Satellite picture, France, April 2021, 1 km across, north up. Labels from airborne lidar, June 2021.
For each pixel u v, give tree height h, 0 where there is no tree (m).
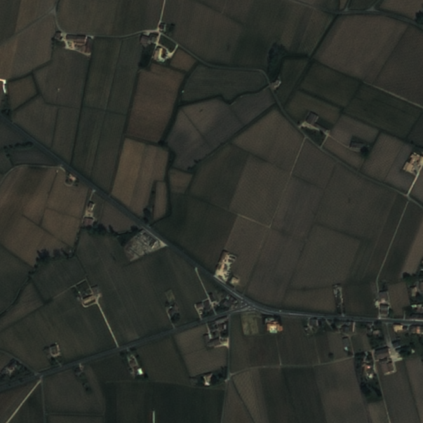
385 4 0
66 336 0
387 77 0
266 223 0
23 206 0
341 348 0
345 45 0
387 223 0
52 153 0
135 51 0
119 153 0
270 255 0
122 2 0
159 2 0
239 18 0
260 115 0
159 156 0
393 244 0
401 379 0
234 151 0
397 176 0
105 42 0
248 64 0
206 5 0
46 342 0
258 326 0
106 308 0
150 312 0
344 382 0
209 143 0
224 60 0
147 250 0
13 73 0
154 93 0
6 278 0
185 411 0
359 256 0
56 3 0
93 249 0
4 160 0
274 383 0
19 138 0
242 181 0
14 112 0
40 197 0
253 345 0
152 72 0
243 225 0
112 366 0
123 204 0
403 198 0
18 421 0
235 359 0
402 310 0
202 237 0
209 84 0
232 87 0
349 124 0
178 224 0
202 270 0
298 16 0
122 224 0
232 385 0
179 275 0
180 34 0
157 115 0
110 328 0
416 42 0
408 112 0
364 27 0
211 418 0
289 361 0
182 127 0
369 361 11
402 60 0
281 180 0
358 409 0
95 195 0
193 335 0
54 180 0
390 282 0
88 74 0
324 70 0
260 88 0
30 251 0
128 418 0
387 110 0
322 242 0
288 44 0
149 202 0
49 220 0
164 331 0
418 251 0
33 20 0
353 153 0
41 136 0
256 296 0
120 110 0
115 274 0
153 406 0
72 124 0
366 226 0
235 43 0
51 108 0
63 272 0
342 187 0
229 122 0
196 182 0
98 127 0
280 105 0
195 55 0
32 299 0
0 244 0
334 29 0
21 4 0
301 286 0
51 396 0
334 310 0
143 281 0
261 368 0
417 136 0
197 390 0
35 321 0
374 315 0
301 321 0
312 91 0
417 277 9
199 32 0
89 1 0
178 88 0
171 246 0
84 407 0
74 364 0
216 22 0
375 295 0
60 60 0
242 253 0
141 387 0
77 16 0
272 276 0
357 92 0
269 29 0
